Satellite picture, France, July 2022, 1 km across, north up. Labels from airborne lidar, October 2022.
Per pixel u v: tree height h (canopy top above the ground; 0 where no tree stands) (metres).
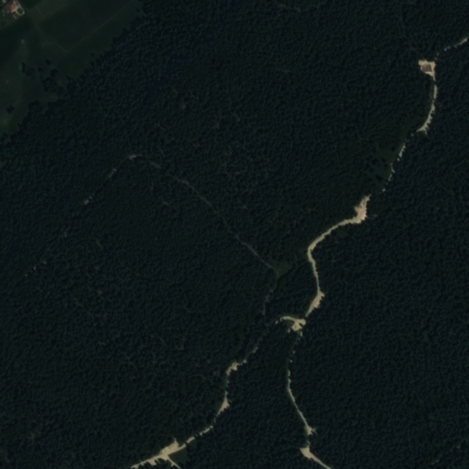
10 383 28
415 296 24
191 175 23
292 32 23
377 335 25
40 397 26
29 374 12
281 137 19
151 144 24
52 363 23
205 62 22
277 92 22
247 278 24
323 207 24
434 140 6
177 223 18
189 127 15
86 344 21
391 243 30
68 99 26
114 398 24
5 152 26
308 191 19
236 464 22
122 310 20
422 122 10
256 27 14
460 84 20
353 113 19
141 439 22
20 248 22
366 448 16
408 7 24
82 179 17
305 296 22
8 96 0
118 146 22
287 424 21
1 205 29
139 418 23
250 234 22
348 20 23
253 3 17
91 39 0
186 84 18
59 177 26
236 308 16
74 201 17
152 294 25
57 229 11
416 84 27
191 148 18
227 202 21
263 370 23
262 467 21
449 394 11
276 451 22
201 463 24
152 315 21
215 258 23
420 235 25
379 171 0
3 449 14
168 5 10
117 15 0
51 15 0
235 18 21
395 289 23
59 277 23
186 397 22
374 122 16
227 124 28
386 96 19
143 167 20
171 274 21
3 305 21
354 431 20
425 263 9
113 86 22
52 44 0
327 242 6
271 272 17
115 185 24
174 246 15
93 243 20
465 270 19
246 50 23
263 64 24
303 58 21
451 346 28
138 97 27
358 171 21
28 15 0
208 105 20
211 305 18
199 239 20
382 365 15
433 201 18
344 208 18
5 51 0
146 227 20
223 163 22
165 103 6
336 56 22
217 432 11
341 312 23
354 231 14
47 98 0
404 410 25
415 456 20
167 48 33
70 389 25
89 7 0
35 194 27
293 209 18
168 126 18
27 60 0
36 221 17
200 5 26
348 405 20
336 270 12
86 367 27
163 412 15
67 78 0
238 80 10
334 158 17
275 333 31
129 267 22
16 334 20
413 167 23
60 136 25
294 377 18
